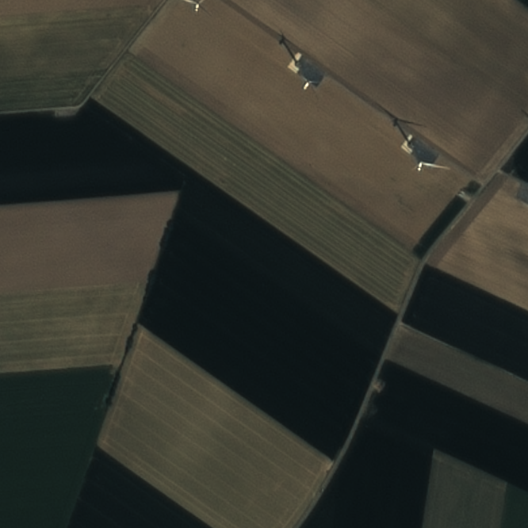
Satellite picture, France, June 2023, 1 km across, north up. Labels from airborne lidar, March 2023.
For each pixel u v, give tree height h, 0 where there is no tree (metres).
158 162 0
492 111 0
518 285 0
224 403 0
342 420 0
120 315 0
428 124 0
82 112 0
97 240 0
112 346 0
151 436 0
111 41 0
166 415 0
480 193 0
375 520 0
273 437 0
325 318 0
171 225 10
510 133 0
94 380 0
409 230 0
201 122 0
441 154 0
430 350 0
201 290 0
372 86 0
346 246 0
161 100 0
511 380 0
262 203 0
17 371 0
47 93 0
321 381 0
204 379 0
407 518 0
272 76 0
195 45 0
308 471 0
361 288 0
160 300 0
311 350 0
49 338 0
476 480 0
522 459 0
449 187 0
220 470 0
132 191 0
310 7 0
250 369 0
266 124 0
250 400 0
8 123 0
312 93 0
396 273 0
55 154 0
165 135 0
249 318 0
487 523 0
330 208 0
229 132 0
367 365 0
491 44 0
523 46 0
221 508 0
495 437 0
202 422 0
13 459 0
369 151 0
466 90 0
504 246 0
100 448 0
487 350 0
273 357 0
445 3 0
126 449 0
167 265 0
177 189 0
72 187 0
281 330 0
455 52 0
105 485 0
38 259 0
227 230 0
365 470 0
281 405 0
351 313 0
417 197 0
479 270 0
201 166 0
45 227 0
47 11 0
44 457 0
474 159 0
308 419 0
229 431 0
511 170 0
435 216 0
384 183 0
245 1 0
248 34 0
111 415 0
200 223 0
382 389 0
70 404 0
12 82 0
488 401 0
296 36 0
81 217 0
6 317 0
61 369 0
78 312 0
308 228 0
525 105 0
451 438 0
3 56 0
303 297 0
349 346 0
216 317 0
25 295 0
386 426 0
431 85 0
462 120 0
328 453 0
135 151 0
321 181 0
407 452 0
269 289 0
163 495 0
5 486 0
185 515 0
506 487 0
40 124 0
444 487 0
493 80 0
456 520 0
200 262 0
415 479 0
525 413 0
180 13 0
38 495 0
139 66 0
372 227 0
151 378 0
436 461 0
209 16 0
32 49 0
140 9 0
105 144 0
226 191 0
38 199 0
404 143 0
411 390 0
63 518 0
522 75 0
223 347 0
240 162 0
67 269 0
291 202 0
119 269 0
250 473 0
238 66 0
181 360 0
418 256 0
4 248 0
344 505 0
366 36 0
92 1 0
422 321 0
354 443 0
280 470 0
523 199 0
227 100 0
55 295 0
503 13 0
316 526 0
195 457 0
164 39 0
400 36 0
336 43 0
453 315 0
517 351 0
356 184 0
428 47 0
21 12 0
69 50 0
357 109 0
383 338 0
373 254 0
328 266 0
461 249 0
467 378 0
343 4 0
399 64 0
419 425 0
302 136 0
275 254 0
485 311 0
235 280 0
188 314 0
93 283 0
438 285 0
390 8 0
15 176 0
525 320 0
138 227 0
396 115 0
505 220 0
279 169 0
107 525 0
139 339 0
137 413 0
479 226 0
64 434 0
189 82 0
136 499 0
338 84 0
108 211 0
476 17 0
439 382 0
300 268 0
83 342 0
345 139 0
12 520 0
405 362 0
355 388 0
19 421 0
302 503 0
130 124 0
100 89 0
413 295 0
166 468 0
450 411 0
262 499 0
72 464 0
